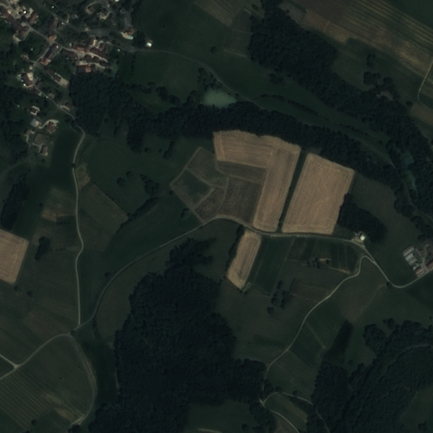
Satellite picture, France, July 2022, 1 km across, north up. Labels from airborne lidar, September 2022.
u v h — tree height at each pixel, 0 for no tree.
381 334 19
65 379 0
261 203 0
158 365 27
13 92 16
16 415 0
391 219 0
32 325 0
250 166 0
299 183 0
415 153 11
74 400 0
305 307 0
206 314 27
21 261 0
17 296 0
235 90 0
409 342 12
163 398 27
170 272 19
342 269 0
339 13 0
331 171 0
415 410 0
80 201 0
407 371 6
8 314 0
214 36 0
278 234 0
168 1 0
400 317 0
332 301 0
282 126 22
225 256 0
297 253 0
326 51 13
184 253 21
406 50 0
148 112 16
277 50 20
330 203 0
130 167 0
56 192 0
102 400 0
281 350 0
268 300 0
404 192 25
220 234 0
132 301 19
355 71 0
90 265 0
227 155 0
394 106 7
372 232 18
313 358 0
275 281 0
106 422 28
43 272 0
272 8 13
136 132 14
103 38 8
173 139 18
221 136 0
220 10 0
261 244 0
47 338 0
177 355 28
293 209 0
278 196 0
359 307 0
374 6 0
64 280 0
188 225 0
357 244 0
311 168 0
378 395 10
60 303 0
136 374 26
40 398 0
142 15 0
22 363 0
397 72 0
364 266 0
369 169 24
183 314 28
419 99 0
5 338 0
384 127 24
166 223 0
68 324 0
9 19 0
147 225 0
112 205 0
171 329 22
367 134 8
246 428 17
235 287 0
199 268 0
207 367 17
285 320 0
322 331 0
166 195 0
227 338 29
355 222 17
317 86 21
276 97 10
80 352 0
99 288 0
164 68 0
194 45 0
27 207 0
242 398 12
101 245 0
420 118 0
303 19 0
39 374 0
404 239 0
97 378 0
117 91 20
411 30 0
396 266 0
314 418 15
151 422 22
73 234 0
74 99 14
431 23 0
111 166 0
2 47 0
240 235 13
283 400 0
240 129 12
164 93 16
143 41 15
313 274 0
